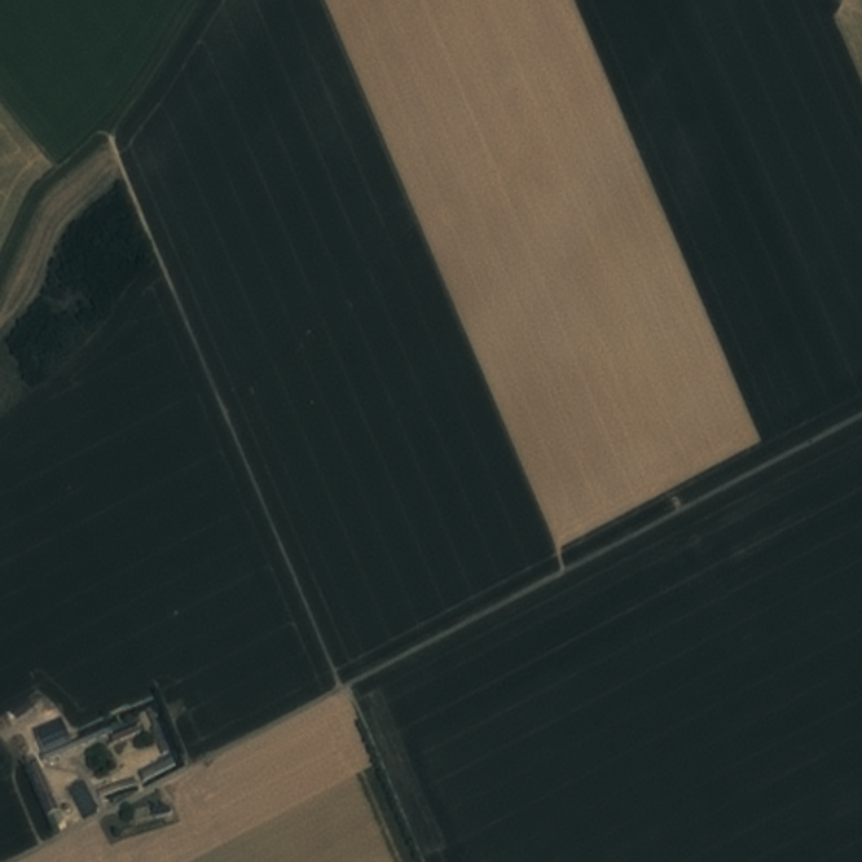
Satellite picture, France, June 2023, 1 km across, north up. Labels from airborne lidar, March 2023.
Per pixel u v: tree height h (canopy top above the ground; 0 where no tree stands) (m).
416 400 0
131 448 0
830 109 0
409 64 0
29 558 0
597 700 0
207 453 0
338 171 0
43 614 0
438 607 0
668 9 0
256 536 0
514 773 0
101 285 16
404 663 0
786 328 0
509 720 0
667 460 0
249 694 0
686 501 0
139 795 0
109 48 0
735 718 0
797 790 0
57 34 0
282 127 0
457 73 0
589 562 0
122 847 0
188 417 0
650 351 0
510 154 0
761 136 0
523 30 0
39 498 0
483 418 0
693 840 0
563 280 0
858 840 0
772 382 0
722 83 0
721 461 0
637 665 0
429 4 0
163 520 0
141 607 0
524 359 0
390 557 0
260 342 0
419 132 0
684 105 0
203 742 0
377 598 0
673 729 0
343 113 0
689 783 0
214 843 0
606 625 0
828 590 0
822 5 0
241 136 0
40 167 0
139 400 0
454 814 0
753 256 0
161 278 0
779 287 0
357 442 0
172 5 0
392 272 0
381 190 0
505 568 0
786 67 0
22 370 9
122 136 0
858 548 0
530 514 0
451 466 0
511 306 0
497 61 0
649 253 0
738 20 0
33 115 0
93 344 0
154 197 0
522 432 0
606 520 0
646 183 0
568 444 0
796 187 0
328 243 0
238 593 0
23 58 0
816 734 0
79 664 0
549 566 0
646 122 0
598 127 0
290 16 0
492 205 0
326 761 0
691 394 0
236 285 0
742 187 0
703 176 0
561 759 0
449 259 0
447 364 0
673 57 0
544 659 0
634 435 0
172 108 0
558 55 0
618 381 0
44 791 0
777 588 0
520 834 0
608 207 0
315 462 0
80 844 0
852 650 0
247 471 0
